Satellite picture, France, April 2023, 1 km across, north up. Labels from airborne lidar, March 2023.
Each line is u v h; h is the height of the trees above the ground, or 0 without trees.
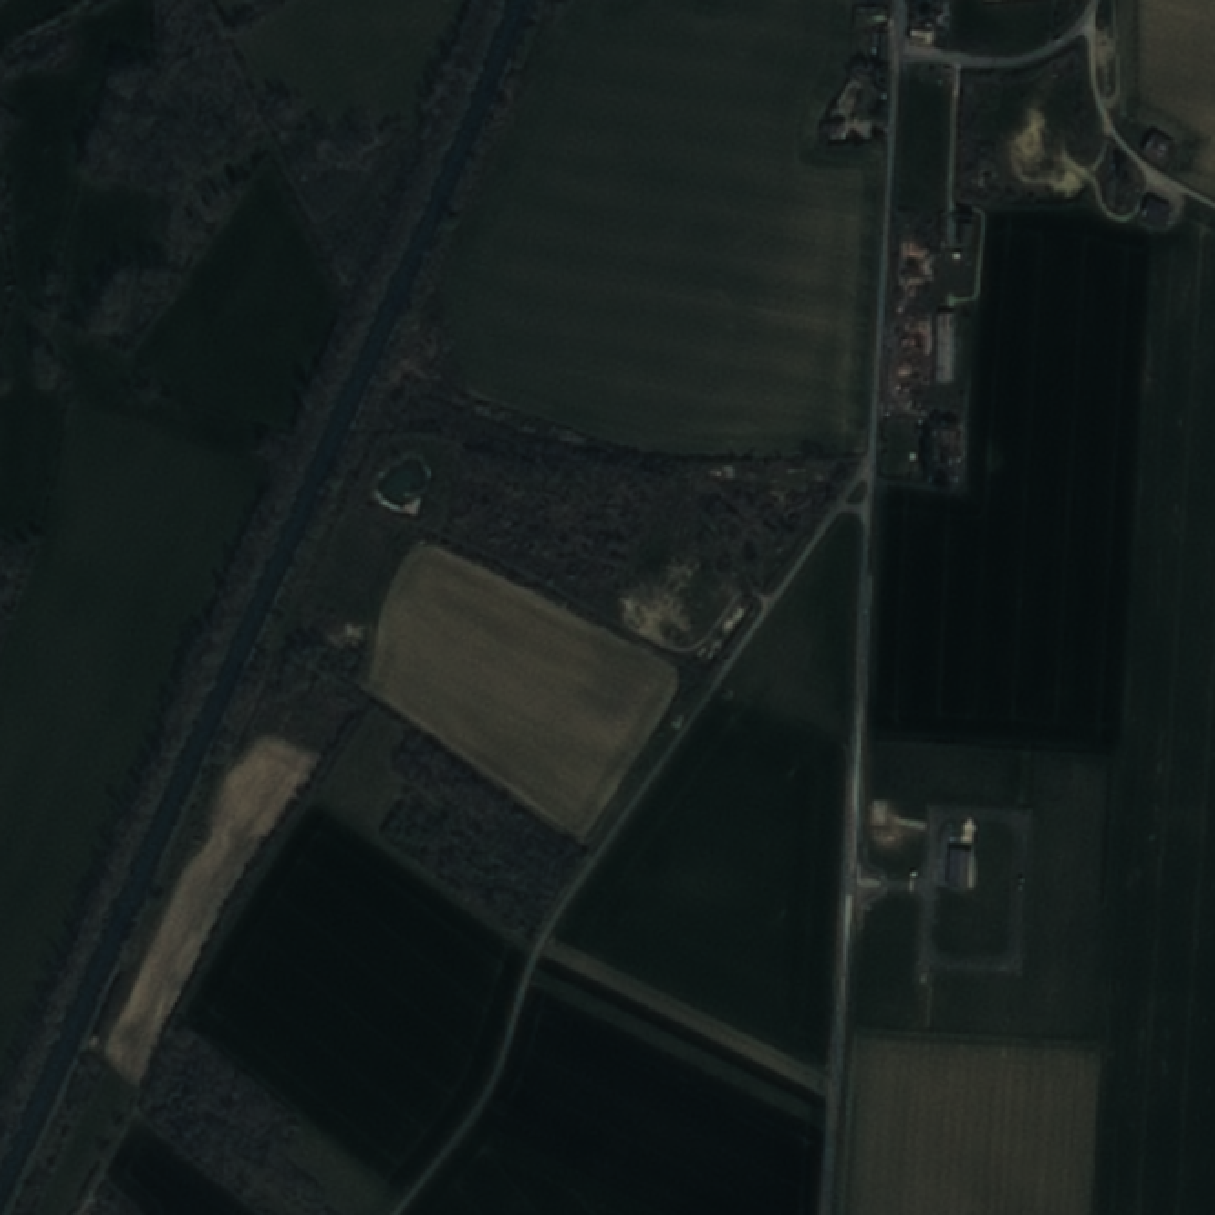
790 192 0
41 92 0
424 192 10
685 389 0
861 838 0
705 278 0
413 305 16
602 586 0
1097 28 0
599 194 0
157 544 0
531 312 0
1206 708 0
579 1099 0
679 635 0
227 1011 0
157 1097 18
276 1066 0
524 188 0
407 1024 0
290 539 0
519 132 0
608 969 0
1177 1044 0
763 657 0
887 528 0
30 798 0
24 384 0
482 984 0
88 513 0
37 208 0
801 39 0
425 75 0
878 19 0
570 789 0
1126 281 0
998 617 0
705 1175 0
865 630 0
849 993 0
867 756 0
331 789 0
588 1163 0
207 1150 13
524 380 0
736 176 0
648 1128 0
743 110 0
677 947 0
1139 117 0
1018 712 0
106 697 0
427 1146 0
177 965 0
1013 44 0
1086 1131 0
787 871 0
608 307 0
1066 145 0
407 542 0
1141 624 0
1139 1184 0
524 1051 0
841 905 0
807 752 0
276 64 0
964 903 0
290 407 0
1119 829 0
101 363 0
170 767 25
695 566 0
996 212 0
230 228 0
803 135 0
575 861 7
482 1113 0
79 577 0
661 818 0
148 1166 0
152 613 0
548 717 0
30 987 0
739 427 0
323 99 0
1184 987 0
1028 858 0
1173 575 0
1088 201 0
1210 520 0
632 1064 0
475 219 0
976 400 0
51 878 0
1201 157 0
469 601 0
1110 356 0
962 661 0
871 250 0
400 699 0
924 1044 0
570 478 8
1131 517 0
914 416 0
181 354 0
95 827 0
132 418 0
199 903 0
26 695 0
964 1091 0
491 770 0
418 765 26
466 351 0
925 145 0
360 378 0
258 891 0
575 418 0
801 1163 0
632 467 7
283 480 16
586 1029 0
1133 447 0
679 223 0
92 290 0
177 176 25
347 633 0
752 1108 0
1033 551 0
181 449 0
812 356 0
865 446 0
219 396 0
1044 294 0
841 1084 0
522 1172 0
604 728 0
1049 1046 0
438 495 0
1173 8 0
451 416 7
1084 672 0
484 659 0
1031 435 0
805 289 0
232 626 8
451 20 0
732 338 0
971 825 0
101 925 10
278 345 0
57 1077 0
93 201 0
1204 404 0
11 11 0
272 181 0
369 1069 0
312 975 0
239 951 0
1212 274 0
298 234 0
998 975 0
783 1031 0
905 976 0
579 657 0
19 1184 0
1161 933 0
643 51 0
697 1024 0
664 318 0
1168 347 0
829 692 0
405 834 8
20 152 0
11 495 0
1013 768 0
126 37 0
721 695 0
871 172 0
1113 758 0
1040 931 0
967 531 0
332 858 0
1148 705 0
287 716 0
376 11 0
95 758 0
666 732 0
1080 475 0
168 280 17
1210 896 0
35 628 0
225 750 15
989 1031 0
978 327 0
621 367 0
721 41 0
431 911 0
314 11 0
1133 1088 0
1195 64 0
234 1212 0
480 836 12
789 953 0
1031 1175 0
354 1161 0
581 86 0
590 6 0
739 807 0
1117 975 0
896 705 0
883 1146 0
